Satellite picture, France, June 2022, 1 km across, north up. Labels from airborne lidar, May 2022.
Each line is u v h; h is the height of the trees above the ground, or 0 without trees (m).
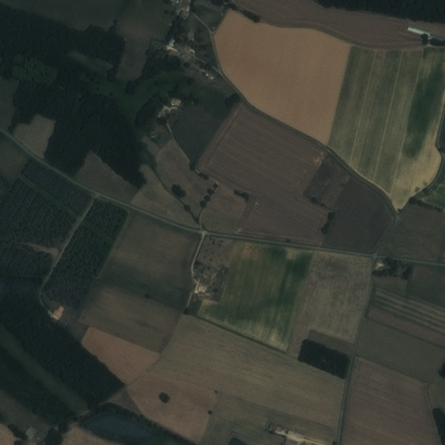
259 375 0
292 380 0
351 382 0
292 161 0
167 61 16
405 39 0
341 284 0
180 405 0
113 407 12
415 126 0
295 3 0
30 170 15
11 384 6
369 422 0
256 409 0
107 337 0
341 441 0
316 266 0
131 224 0
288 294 0
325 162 0
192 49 8
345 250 0
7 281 8
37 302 10
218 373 0
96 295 0
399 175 0
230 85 0
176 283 0
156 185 0
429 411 0
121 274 0
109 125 20
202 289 0
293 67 0
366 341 0
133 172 12
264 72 0
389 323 0
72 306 12
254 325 0
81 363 17
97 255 13
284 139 0
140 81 11
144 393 0
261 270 0
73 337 14
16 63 31
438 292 0
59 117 16
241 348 0
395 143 0
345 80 0
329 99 0
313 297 0
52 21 13
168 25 0
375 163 0
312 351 18
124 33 0
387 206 0
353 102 0
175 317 0
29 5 0
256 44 0
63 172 10
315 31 0
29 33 22
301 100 0
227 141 0
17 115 10
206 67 8
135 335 0
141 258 0
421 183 0
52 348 14
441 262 0
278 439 0
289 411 0
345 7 13
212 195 16
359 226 0
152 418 0
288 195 0
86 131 19
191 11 12
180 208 0
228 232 0
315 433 0
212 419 0
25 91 16
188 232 0
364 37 0
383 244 0
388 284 0
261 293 0
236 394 0
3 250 9
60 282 14
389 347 0
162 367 0
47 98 21
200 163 0
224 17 0
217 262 0
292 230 0
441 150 13
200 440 0
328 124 0
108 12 0
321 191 0
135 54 0
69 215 17
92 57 13
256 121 0
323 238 0
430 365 0
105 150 16
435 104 0
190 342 0
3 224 15
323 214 0
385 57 0
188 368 0
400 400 0
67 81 15
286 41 0
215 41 0
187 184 0
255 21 12
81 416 10
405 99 0
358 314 0
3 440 0
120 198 0
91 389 13
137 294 0
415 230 0
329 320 0
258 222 0
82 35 18
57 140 15
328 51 0
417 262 0
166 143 0
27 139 0
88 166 0
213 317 0
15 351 0
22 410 0
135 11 0
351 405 0
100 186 0
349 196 0
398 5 23
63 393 0
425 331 0
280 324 0
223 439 0
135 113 0
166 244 0
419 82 0
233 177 0
